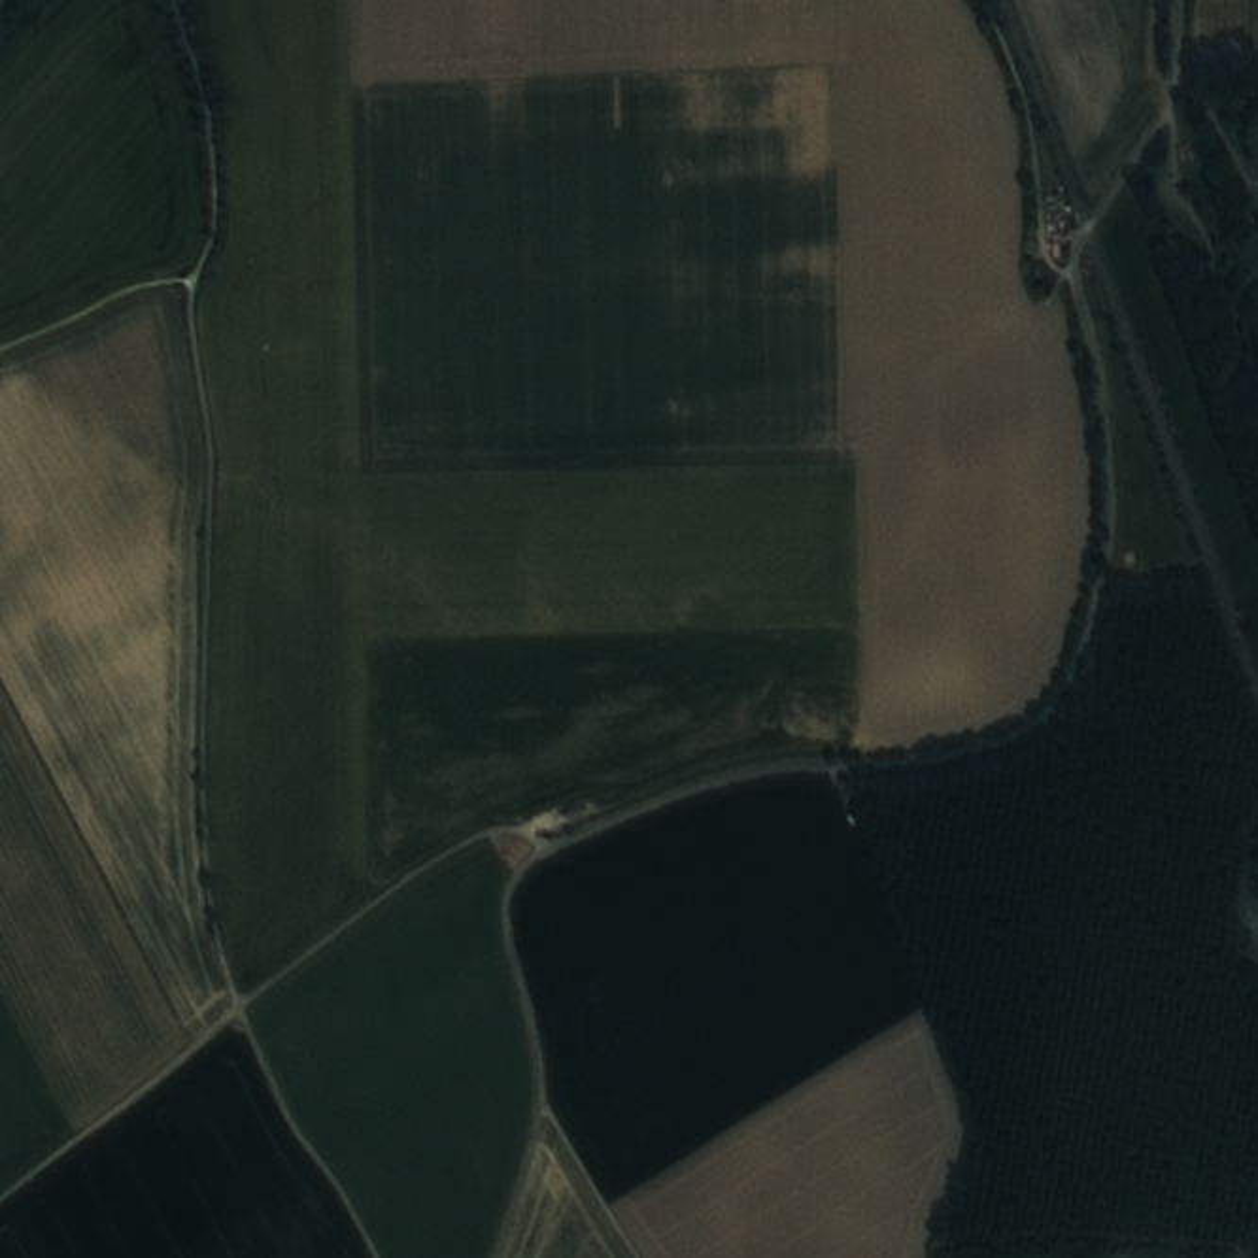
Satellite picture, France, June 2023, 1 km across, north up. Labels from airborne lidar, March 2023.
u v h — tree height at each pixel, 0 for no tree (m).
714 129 0
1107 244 0
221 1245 0
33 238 0
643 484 0
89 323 0
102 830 0
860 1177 0
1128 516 0
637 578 0
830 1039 0
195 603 0
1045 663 0
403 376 0
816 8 0
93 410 0
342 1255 0
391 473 0
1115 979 21
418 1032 0
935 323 0
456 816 0
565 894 0
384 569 0
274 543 0
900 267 0
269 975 0
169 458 0
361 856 0
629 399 0
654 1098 0
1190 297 37
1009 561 0
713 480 0
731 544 0
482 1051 0
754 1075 0
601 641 0
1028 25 0
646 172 0
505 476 0
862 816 20
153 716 0
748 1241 0
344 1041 0
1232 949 23
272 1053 0
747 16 0
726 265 0
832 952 0
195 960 0
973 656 0
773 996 0
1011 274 0
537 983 0
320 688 0
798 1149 0
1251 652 0
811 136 0
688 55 0
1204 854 25
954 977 21
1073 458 0
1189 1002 17
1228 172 30
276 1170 0
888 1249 0
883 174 0
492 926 0
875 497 0
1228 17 0
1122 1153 16
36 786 0
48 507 0
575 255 0
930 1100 0
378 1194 0
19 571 0
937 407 0
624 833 0
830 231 0
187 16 15
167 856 0
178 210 0
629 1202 0
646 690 0
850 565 0
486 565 0
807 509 0
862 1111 0
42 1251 0
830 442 0
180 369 0
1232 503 0
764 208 0
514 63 0
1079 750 24
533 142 0
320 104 0
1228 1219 14
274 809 0
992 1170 22
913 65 0
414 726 0
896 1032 0
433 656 0
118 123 0
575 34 0
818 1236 0
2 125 0
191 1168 0
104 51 0
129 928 0
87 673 0
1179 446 6
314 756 0
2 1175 0
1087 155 0
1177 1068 16
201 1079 0
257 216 0
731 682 0
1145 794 25
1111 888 24
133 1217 0
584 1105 0
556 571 0
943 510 0
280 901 0
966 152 0
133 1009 0
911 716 0
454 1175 0
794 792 0
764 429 0
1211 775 25
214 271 0
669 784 0
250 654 0
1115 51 0
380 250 0
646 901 0
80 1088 0
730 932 0
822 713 0
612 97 0
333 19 0
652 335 0
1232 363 0
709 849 0
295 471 0
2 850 0
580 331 0
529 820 0
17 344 0
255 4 0
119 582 0
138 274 0
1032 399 0
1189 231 0
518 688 0
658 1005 0
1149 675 23
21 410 0
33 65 0
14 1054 0
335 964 0
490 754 0
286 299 0
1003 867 22
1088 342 0
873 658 0
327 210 0
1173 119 0
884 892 20
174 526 0
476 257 0
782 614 0
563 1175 0
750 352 0
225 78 0
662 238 0
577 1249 0
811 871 0
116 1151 0
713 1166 0
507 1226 0
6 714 0
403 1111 0
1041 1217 20
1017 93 10
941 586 0
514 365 0
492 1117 0
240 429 0
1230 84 20
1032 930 23
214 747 0
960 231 0
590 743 0
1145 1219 7
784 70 0
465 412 0
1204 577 13
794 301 0
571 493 0
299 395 0
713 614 0
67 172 0
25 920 0
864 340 0
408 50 0
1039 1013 21
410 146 0
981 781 23
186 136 0
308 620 0
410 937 0
